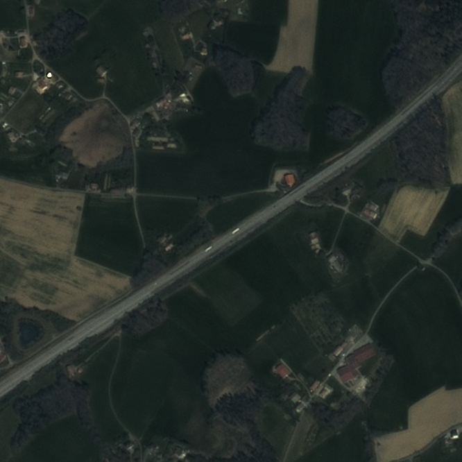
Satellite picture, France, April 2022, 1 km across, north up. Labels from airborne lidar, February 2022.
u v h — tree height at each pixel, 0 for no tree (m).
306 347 0
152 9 0
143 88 0
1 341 0
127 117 0
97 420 0
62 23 25
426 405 0
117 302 0
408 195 0
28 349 0
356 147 0
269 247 0
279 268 0
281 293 0
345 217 0
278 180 0
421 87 16
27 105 0
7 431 0
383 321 0
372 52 0
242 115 0
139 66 0
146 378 0
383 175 0
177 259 6
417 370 0
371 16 0
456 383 0
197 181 0
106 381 0
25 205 0
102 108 0
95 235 0
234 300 0
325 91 0
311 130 0
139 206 0
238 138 0
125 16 0
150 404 0
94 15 0
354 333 0
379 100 0
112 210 0
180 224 0
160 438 0
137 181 0
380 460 0
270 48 0
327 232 0
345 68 0
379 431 18
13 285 0
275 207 0
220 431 0
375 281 0
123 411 0
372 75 0
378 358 0
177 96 12
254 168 0
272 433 0
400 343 0
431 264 0
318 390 0
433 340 0
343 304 0
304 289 0
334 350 6
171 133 16
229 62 26
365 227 0
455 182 0
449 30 23
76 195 0
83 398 28
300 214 0
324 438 0
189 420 0
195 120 0
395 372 0
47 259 0
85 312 0
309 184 0
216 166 0
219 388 0
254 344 0
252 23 0
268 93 0
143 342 0
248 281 0
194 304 0
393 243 0
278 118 33
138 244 0
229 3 0
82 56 0
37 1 0
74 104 0
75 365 0
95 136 0
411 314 0
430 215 0
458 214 0
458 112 0
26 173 0
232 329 0
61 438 0
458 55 11
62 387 18
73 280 0
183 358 0
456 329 0
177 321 0
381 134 0
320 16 0
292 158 0
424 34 22
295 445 0
